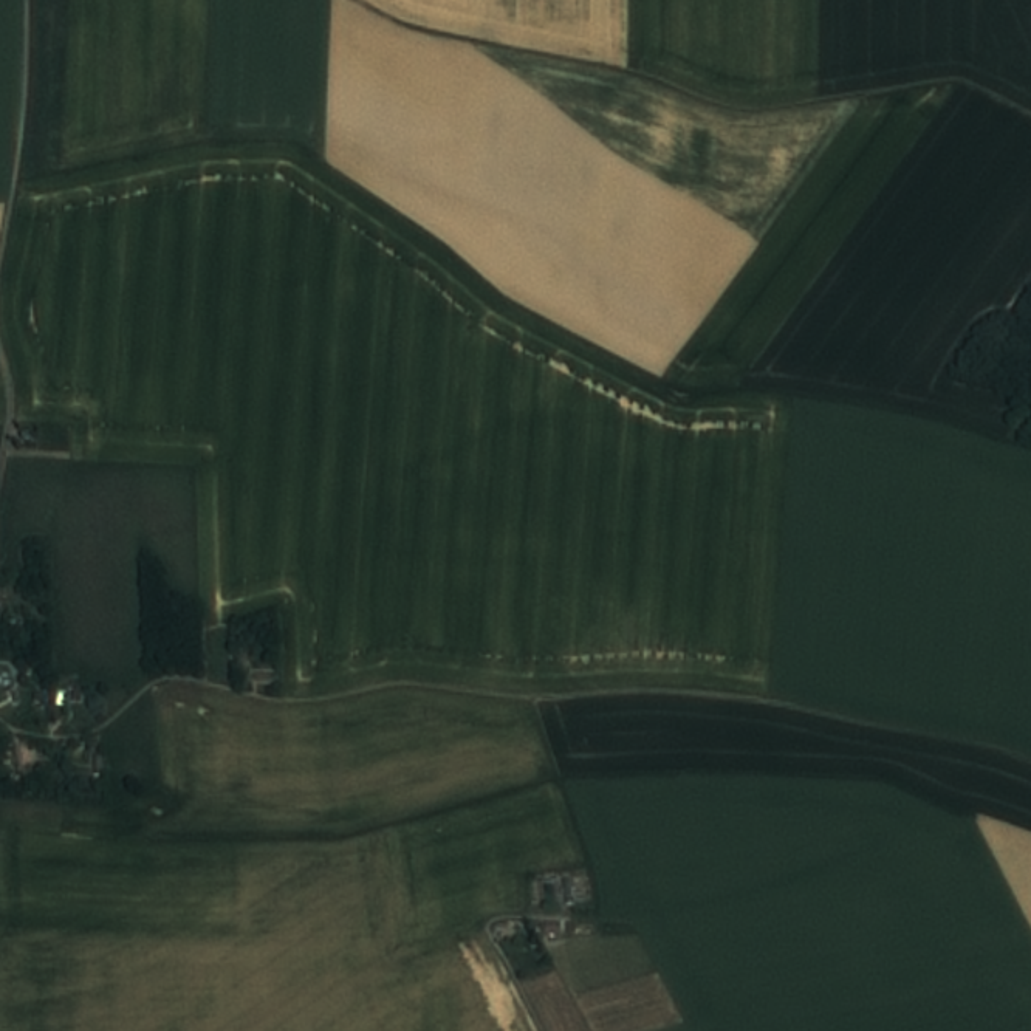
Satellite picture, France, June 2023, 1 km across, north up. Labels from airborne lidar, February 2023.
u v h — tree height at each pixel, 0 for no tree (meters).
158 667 13
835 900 0
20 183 0
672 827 0
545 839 0
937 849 0
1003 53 0
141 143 0
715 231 0
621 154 0
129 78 0
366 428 0
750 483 0
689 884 0
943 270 0
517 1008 0
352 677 0
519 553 0
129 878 0
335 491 0
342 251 0
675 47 0
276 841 0
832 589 0
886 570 0
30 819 0
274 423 0
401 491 0
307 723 0
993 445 0
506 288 0
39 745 9
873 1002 0
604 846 0
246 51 0
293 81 0
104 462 0
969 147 0
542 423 0
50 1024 0
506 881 0
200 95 0
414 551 0
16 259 0
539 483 0
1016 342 22
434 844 0
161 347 0
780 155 0
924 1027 0
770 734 0
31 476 0
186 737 0
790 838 0
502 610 0
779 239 0
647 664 0
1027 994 0
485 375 0
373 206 0
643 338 0
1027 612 0
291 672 0
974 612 0
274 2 0
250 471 0
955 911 0
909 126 0
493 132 0
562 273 0
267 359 0
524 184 0
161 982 0
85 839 0
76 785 15
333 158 0
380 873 0
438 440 0
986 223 0
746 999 0
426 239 0
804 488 0
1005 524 0
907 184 0
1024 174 0
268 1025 0
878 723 0
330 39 0
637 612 0
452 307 0
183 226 0
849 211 0
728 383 0
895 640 0
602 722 0
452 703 0
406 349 0
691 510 0
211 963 0
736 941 0
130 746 0
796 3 0
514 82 0
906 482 0
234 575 0
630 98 0
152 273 0
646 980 0
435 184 0
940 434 0
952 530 0
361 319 0
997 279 0
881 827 0
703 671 0
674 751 0
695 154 0
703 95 0
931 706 0
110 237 0
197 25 0
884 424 0
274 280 0
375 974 0
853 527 0
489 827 0
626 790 0
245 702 0
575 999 0
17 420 0
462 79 0
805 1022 0
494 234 0
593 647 0
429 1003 0
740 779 0
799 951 0
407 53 0
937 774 0
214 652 0
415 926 0
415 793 0
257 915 0
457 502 0
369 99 0
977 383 19
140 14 0
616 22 0
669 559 0
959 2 0
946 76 0
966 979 0
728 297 0
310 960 0
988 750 0
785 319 0
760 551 0
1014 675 0
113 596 0
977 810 0
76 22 0
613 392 0
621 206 0
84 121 0
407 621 0
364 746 0
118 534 0
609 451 0
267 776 0
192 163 0
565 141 0
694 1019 0
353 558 0
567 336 0
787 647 0
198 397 0
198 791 0
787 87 0
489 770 0
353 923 0
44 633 11
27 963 0
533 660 0
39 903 0
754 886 0
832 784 0
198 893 0
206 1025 0
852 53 0
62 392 0
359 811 0
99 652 0
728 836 0
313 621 0
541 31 0
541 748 0
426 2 0
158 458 0
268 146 0
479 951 0
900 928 0
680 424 0
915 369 0
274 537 0
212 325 0
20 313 0
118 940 0
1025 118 0
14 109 0
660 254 0
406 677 0
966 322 0
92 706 17
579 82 0
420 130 0
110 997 0
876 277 0
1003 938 0
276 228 0
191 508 0
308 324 0
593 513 0
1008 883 0
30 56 0
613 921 0
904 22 0
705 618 0
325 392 0
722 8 0
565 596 0
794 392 0
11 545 0
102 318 0
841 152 0
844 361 0
